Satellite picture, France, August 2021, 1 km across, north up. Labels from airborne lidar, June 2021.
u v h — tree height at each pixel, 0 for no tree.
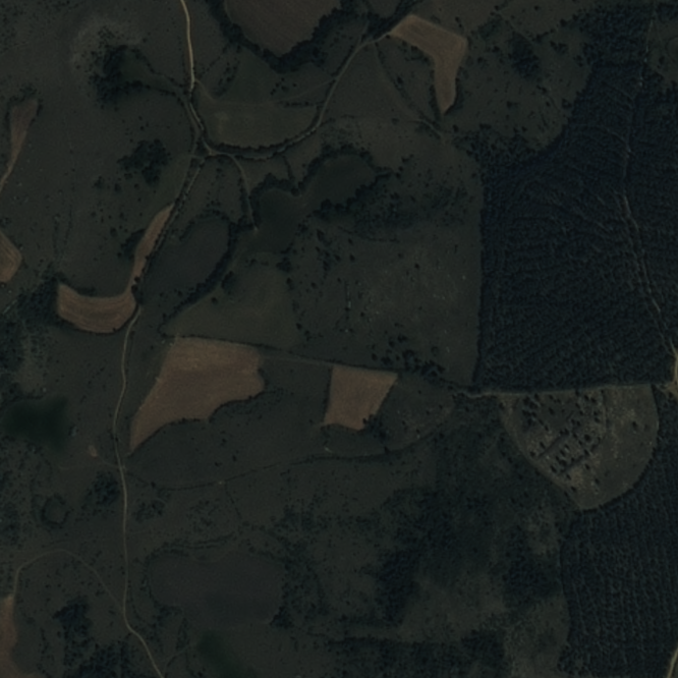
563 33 0
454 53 0
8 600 0
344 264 0
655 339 12
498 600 0
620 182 16
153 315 0
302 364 0
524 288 17
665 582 12
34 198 0
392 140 0
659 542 11
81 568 0
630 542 9
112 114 0
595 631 9
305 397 0
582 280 10
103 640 0
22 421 0
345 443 0
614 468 0
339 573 0
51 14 0
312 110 0
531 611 0
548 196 16
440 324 0
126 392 0
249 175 0
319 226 0
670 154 11
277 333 0
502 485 0
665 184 11
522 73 13
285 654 0
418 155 0
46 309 7
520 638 0
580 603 7
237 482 0
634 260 9
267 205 0
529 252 14
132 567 0
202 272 0
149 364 0
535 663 0
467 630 0
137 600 0
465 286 0
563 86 0
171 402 0
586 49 7
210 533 0
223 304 0
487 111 0
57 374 0
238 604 0
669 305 12
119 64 13
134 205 0
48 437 0
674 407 10
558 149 14
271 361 0
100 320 0
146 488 0
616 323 13
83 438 0
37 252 0
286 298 0
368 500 0
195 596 0
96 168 0
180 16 0
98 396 0
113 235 9
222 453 0
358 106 0
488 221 12
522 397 0
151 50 0
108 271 0
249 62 0
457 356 0
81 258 0
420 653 8
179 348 0
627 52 6
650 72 12
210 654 0
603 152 15
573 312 16
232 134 0
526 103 0
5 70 0
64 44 0
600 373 9
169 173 0
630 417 0
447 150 0
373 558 0
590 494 0
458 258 0
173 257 0
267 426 0
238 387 0
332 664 0
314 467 0
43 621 0
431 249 0
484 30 6
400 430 0
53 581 0
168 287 0
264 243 0
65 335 0
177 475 0
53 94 0
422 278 0
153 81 0
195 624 0
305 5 0
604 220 13
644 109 11
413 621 0
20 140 0
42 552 0
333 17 6
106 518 0
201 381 0
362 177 0
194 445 0
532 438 0
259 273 0
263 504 0
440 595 0
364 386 0
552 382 11
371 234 0
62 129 0
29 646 0
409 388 0
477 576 0
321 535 0
